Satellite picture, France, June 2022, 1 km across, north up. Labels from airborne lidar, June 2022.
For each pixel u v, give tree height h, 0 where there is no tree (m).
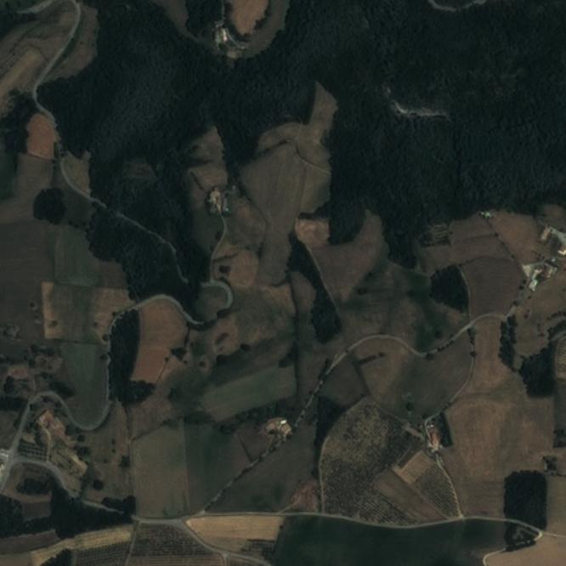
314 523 0
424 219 7
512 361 8
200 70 15
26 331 0
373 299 0
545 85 21
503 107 13
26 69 0
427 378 0
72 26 0
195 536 0
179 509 0
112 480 0
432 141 22
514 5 12
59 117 13
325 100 0
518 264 0
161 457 0
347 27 6
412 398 0
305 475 0
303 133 0
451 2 7
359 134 16
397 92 11
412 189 19
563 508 0
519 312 0
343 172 16
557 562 0
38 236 0
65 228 0
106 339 15
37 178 0
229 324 0
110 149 15
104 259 11
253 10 0
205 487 0
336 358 0
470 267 0
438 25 14
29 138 8
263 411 8
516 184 13
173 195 20
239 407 0
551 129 8
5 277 0
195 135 11
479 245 0
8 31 6
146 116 17
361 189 16
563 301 0
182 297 16
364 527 0
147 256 17
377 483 0
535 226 0
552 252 0
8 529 10
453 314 0
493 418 0
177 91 8
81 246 0
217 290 0
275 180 0
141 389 7
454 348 0
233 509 0
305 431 0
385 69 18
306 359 0
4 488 0
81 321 0
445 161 17
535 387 7
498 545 0
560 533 0
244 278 0
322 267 0
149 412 0
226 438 0
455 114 21
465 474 0
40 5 0
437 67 12
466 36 11
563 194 10
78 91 10
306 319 0
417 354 0
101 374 0
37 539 0
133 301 11
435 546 0
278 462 0
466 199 21
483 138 30
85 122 21
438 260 0
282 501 0
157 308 0
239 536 0
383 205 14
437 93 8
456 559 0
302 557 0
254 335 0
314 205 0
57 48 0
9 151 9
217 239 7
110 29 13
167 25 19
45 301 0
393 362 0
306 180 0
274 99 17
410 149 17
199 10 17
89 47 0
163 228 8
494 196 13
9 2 10
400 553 0
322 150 0
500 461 0
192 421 9
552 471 11
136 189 12
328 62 11
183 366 0
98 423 0
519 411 0
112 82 18
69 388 10
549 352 16
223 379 0
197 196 0
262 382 0
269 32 0
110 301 0
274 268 0
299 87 8
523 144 12
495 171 20
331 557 0
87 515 7
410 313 0
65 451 0
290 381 0
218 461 0
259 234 0
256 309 0
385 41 25
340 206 13
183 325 0
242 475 6
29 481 7
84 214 0
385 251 0
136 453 0
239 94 18
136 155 13
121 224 17
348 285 0
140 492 0
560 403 0
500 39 17
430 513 0
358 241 0
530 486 11
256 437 0
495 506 0
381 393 0
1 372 0
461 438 0
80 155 16
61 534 12
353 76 6
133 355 8
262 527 0
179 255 16
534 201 9
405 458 0
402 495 0
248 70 17
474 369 0
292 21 17
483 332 0
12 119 11
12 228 0
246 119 16
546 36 23
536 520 12
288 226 0
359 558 0
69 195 0
